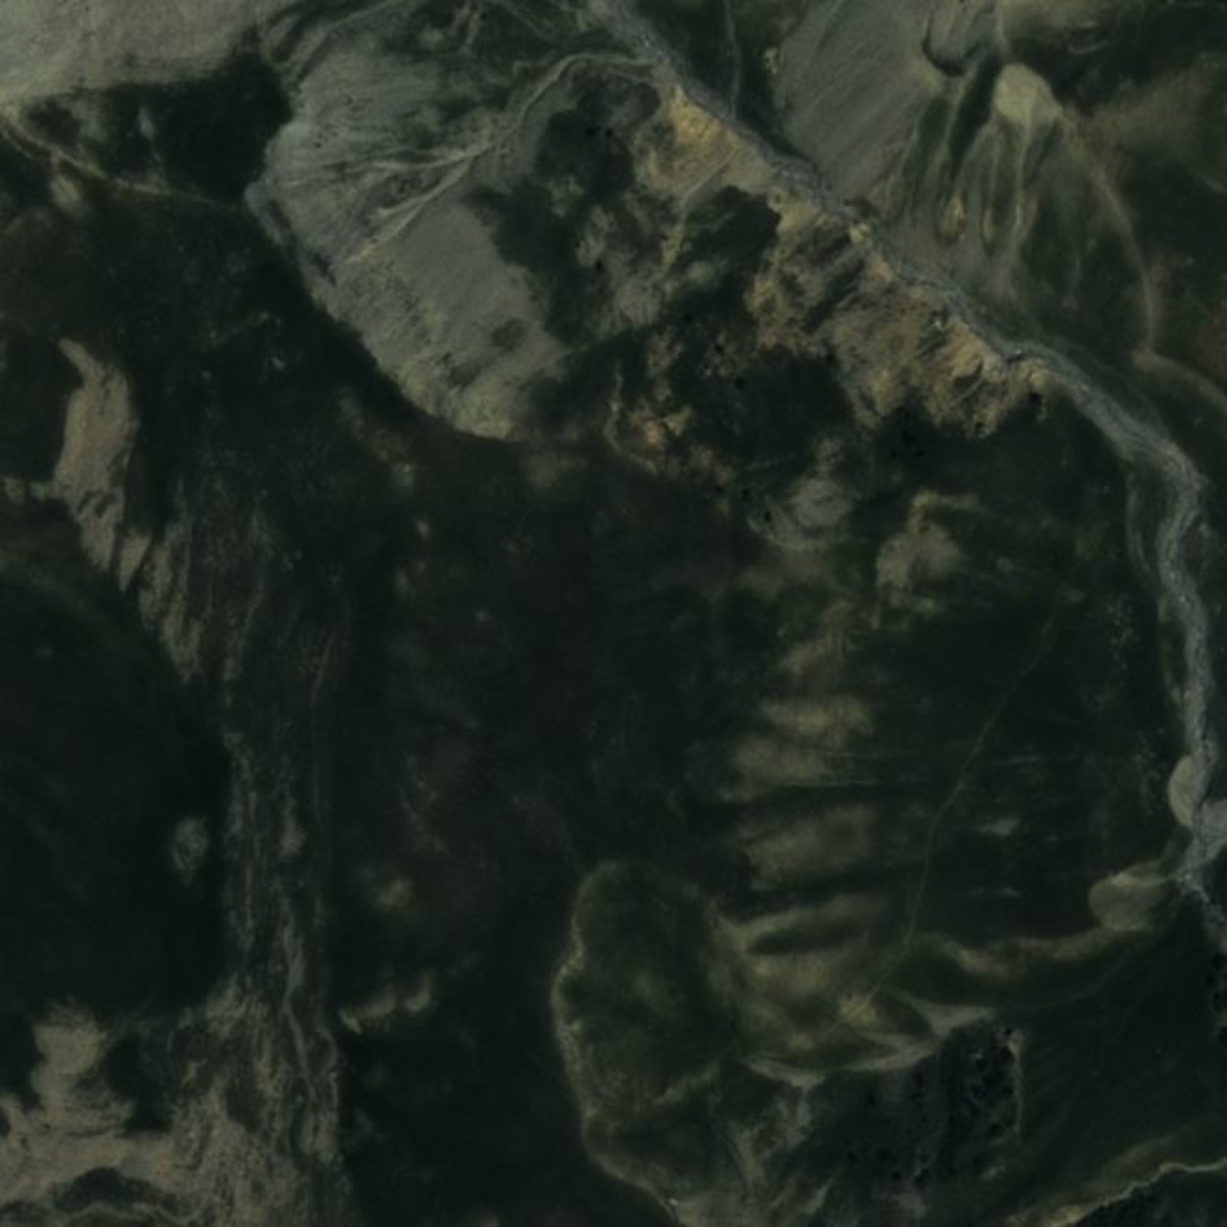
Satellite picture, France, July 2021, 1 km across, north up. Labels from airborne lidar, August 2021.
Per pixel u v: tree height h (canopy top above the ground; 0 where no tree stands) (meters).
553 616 0
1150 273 0
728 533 0
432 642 0
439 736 0
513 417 0
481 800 0
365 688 0
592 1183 0
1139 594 0
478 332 0
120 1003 0
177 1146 0
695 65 0
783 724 0
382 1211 0
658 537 0
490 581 0
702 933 0
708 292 0
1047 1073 0
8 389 0
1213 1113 0
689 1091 0
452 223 0
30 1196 0
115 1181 0
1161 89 0
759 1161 0
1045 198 0
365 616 0
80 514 0
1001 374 0
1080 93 0
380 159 0
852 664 0
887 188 0
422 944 0
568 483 0
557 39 0
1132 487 0
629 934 0
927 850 0
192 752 0
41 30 0
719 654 0
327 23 0
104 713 0
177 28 0
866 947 0
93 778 0
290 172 0
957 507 0
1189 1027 0
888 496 0
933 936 0
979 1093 11
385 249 0
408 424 0
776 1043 0
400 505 0
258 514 0
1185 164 0
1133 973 0
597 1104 0
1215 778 0
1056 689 0
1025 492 0
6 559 0
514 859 0
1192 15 0
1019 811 0
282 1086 0
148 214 0
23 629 0
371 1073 0
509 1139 0
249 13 0
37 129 0
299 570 0
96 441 0
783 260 0
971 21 0
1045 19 0
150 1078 0
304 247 0
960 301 0
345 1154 0
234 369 0
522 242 0
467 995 0
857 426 0
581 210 0
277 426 0
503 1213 0
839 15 0
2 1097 0
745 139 0
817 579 0
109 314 0
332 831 0
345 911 0
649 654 0
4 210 0
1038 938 0
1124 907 0
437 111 0
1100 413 0
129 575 0
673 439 0
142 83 0
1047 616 0
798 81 0
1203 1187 0
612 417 0
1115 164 0
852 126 0
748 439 0
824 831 0
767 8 0
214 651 0
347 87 0
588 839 0
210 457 0
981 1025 0
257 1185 0
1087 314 0
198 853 0
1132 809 0
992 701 0
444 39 0
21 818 0
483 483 0
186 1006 0
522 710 0
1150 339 0
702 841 0
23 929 0
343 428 0
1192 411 0
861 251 0
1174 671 0
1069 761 0
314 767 0
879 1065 0
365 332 0
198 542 0
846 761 0
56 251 0
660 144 0
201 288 0
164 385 0
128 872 0
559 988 0
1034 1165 0
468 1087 0
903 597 0
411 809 0
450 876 0
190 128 0
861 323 0
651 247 0
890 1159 12
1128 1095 0
